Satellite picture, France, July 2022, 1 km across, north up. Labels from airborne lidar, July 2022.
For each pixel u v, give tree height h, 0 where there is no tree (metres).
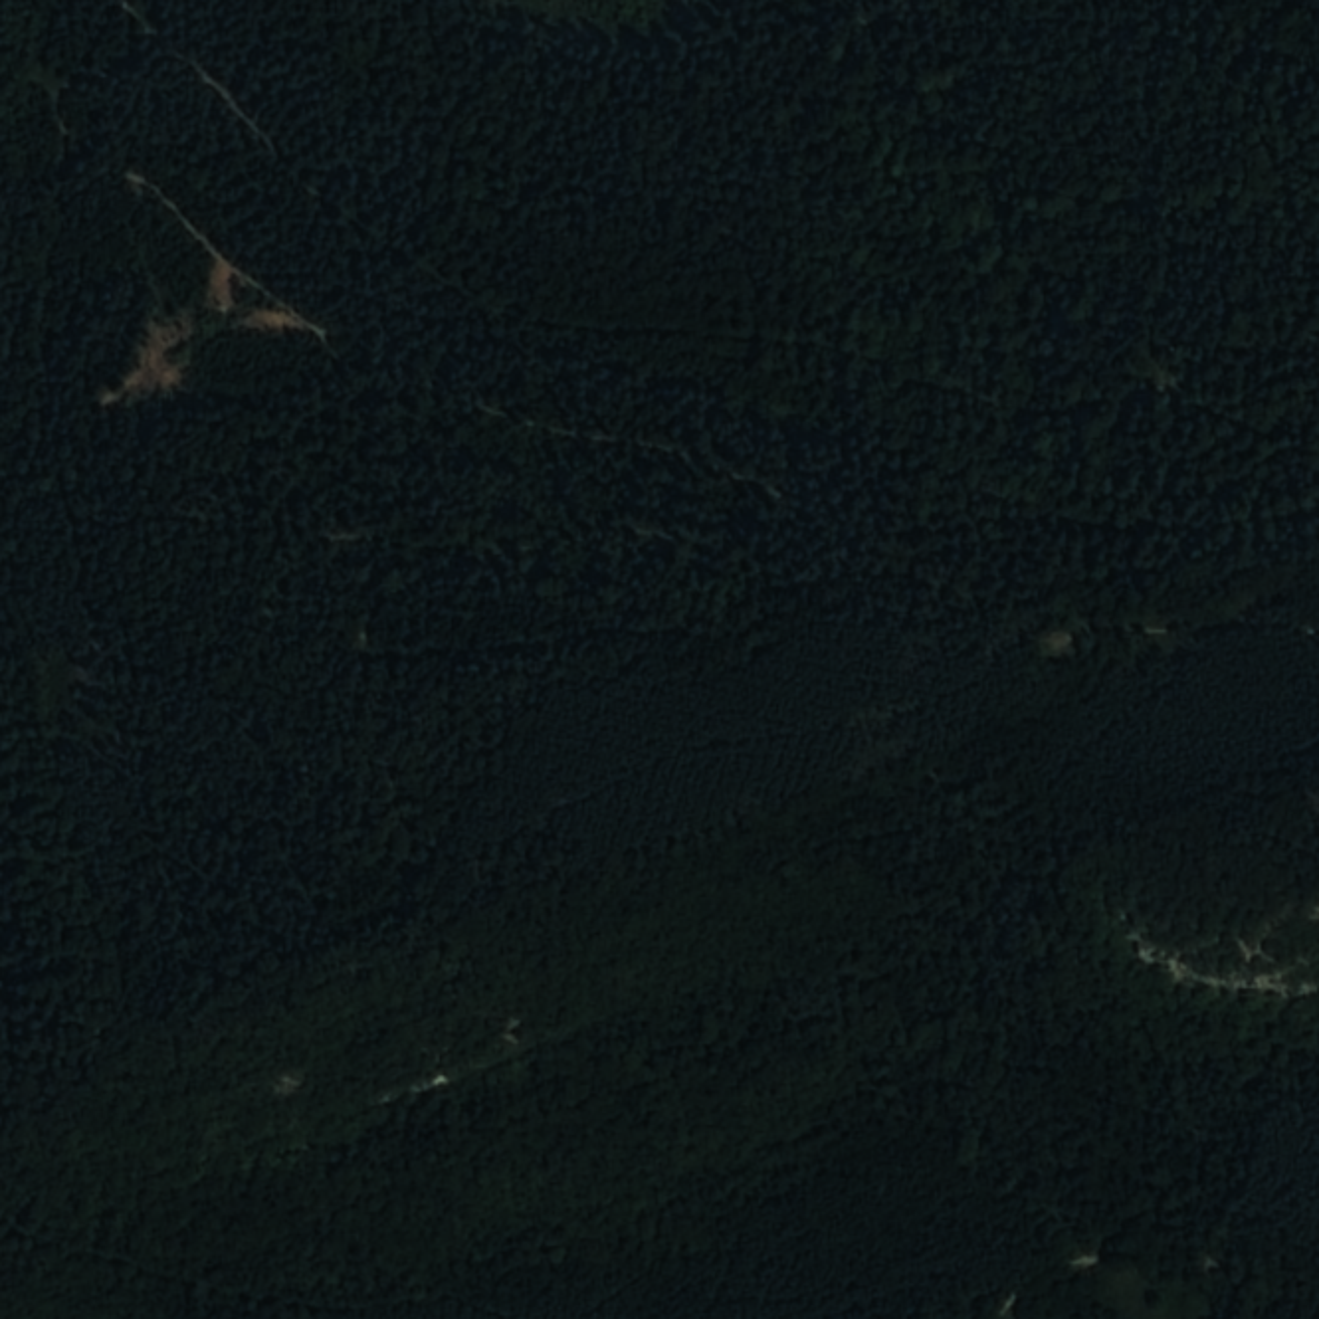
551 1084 22
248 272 29
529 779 24
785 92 33
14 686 30
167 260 6
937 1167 15
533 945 19
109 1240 24
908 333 19
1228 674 25
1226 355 37
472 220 32
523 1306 18
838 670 19
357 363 8
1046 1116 26
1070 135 20
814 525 38
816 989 30
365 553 11
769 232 28
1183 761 26
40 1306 20
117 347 26
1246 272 29
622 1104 15
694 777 21
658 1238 21
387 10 31
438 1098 20
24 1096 30
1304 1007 22
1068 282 20
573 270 27
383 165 42
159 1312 22
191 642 25
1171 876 14
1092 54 25
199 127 38
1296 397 34
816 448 38
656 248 22
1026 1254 17
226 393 13
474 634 11
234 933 33
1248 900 16
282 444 27
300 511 29
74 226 18
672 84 39
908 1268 20
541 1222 18
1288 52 10
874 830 18
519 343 11
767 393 12
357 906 19
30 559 28
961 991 26
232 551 17
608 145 27
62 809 29
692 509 38
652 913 20
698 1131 23
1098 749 22
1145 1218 17
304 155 29
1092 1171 21
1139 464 22
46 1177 21
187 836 27
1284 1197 32
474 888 19
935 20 18
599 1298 21
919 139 34
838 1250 20
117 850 31
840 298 29
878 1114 25
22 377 27
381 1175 22
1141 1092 11
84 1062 30
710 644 17
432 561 16
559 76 39
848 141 30
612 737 27
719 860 19
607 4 8
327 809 26
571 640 13
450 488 24
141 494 28
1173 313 22
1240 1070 24
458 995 21
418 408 34
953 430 31
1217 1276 10
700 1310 19
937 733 21
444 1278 17
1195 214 27
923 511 31
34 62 17
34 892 32
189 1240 22
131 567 27
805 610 18
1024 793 22
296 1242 22
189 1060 19
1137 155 16
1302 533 27
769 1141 13
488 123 34
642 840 17
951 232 28
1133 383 36
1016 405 24
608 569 27
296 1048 13
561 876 18
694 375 14
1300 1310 18
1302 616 22
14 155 26
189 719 22
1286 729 23
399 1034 24
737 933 16
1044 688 20
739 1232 11
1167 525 21
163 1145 20
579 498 35
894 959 23
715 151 23
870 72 31
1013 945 34
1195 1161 18
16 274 26
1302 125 24
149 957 20
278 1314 26
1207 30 25
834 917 18
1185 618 18
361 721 25
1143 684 26
